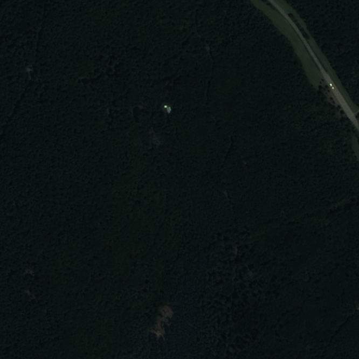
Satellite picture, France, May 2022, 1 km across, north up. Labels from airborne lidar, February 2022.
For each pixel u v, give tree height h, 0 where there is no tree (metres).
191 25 25
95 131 25
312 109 20
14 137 24
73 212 27
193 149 16
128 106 28
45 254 22
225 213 18
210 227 16
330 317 13
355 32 26
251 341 29
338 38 26
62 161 22
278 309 10
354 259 14
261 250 12
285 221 16
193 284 25
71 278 29
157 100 25
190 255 19
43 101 21
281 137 13
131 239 26
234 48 20
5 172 23
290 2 14
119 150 25
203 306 27
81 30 22
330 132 17
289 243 10
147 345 34
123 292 31
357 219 11
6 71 28
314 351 13
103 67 6
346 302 12
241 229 17
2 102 23
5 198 19
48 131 24
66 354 25
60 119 24
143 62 25
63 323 24
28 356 21
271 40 20
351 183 17
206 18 22
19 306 26
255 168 13
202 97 19
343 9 28
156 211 23
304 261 15
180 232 27
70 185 22
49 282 26
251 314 16
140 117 29
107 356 29
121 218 28
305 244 15
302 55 0
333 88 0
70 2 22
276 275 7
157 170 26
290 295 10
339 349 18
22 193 18
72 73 24
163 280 23
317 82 0
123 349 29
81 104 25
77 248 27
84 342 26
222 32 17
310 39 0
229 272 35
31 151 26
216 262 28
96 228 25
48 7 19
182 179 19
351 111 0
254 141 17
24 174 20
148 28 25
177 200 26
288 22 0
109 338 27
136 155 25
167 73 25
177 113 16
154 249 34
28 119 24
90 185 24
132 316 32
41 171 22
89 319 25
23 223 24
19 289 25
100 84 26
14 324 24
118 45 22
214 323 26
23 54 24
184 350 21
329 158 19
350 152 10
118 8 24
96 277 25
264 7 0
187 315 23
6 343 24
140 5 22
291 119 17
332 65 9
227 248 31
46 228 25
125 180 27
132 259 28
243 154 15
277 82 19
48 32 21
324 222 14
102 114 28
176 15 25
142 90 25
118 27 23
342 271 12
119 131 26
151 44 25
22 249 25
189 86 19
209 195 21
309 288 12
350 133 17
